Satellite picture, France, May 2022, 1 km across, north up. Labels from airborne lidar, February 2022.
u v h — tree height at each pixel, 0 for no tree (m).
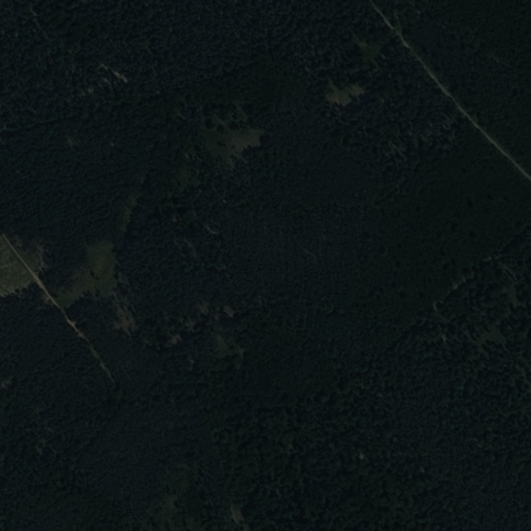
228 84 25
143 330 28
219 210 18
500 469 27
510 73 18
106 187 25
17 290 0
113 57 35
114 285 0
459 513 24
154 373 21
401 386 27
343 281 20
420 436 32
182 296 29
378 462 30
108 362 18
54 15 30
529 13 24
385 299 13
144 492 28
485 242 15
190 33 34
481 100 17
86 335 17
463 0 24
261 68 24
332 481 30
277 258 19
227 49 32
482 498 28
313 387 19
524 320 31
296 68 20
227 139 0
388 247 13
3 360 23
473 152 14
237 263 25
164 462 24
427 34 17
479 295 27
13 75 26
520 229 12
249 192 20
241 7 30
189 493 8
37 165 25
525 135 13
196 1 33
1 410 20
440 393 26
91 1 32
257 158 21
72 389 12
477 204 13
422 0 21
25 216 16
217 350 19
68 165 22
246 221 20
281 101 20
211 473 23
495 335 0
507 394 26
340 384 25
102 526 26
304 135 20
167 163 25
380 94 33
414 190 14
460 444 30
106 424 22
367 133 29
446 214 13
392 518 29
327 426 14
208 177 16
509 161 13
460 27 17
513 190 15
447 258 13
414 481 32
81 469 19
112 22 32
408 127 29
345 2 21
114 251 0
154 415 23
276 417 28
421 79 33
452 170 14
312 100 21
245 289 23
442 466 26
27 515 24
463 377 26
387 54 27
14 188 26
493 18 24
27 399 21
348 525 31
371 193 18
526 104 15
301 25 29
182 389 23
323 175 19
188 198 21
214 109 24
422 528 31
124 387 20
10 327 25
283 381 17
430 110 33
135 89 24
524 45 21
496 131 13
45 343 23
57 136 23
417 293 13
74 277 22
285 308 20
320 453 31
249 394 11
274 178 19
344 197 16
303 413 6
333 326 18
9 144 19
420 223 15
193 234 29
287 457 10
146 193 19
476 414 28
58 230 21
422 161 17
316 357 19
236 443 15
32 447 15
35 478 27
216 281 31
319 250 20
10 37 33
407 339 25
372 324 18
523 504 26
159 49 32
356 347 21
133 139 25
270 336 17
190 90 24
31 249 20
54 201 23
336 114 23
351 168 21
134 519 26
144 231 34
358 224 17
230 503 19
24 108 9
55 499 25
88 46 28
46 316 26
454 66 14
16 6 29
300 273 20
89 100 12
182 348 28
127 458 23
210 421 23
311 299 23
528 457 23
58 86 28
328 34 28
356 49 31
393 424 31
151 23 34
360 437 28
